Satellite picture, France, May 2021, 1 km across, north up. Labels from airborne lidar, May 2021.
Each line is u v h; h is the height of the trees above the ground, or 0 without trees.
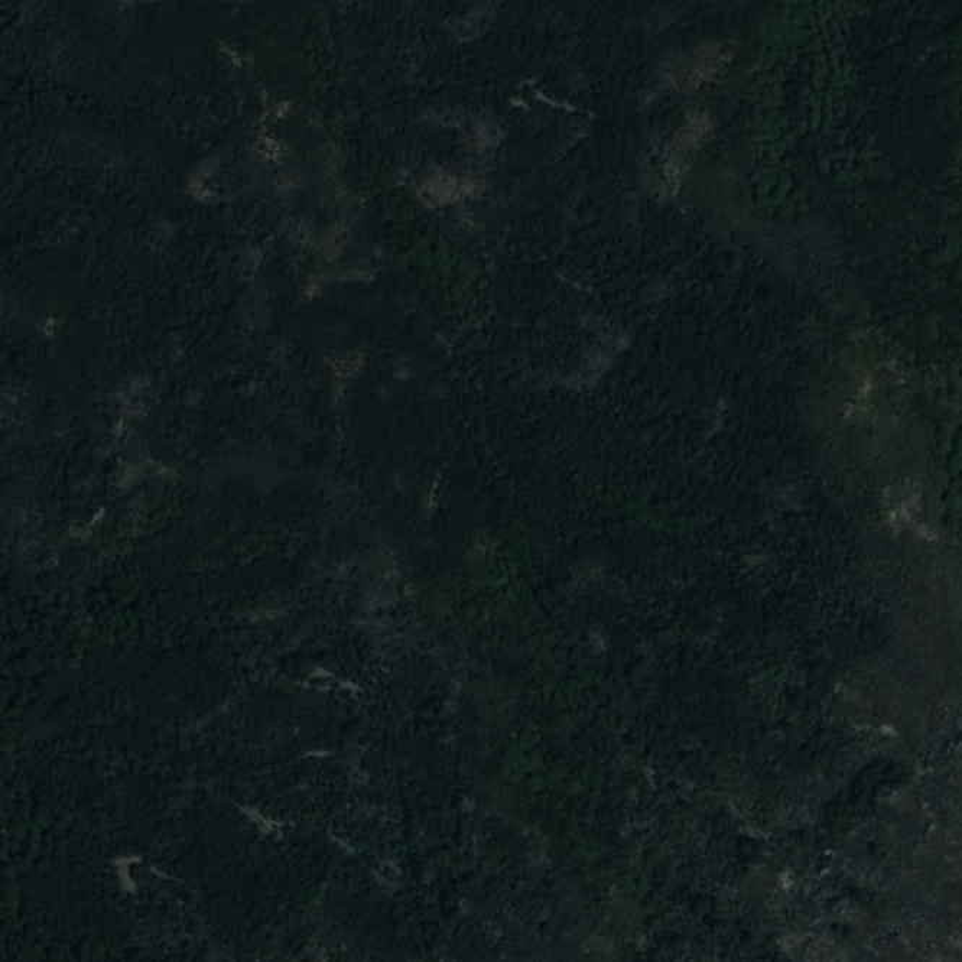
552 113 10
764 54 13
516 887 14
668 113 12
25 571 8
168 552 7
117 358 9
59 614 17
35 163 10
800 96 16
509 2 7
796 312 8
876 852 12
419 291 7
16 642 22
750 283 12
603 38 7
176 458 7
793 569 9
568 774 11
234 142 6
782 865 9
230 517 8
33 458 15
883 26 11
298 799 8
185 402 16
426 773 6
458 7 7
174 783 13
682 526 13
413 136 9
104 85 7
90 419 6
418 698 7
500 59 9
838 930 12
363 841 11
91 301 11
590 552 12
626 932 9
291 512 9
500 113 8
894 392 9
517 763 16
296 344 7
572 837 10
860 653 6
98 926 14
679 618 16
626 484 15
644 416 9
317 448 8
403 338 9
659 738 10
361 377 10
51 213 9
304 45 11
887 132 13
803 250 7
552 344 6
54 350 10
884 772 8
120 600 20
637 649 11
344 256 7
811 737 6
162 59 6
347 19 11
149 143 6
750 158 8
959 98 16
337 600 9
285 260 7
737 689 10
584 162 8
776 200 19
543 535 8
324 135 7
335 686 9
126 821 6
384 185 12
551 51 6
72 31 8
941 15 7
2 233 14
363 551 7
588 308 8
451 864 9
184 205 9
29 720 7
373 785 9
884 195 9
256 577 9
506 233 8
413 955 6
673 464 16
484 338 12
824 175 9
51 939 12
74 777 10
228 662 18
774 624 8
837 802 11
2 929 24
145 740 11
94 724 8
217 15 8
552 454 9
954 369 19
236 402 7
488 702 6
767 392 8
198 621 17
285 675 11
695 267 8
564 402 12
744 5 13
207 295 8
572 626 8
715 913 10
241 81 9
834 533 9
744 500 14
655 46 8
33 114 14
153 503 14
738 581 9
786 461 7
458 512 7
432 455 6
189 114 11
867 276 11
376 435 9
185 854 7
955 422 6
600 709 16
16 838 20
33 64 8
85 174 12
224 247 10
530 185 7
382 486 9
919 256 11
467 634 5
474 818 6
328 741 9
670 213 8
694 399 9
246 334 6
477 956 6
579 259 8
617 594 9
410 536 7
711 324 11
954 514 14
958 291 8
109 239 6
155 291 14
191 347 10
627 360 9
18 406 6
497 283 9
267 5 11
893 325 9
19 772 7
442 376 10
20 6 20
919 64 7
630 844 8
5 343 10
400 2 8
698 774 5
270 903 9
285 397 8
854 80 15
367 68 11
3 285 6
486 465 13
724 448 11
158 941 6
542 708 11
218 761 9
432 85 11
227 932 10
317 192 8
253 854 7
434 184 0
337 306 6
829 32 13
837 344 6
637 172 7
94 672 11
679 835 6
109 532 9
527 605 9
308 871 7
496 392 7
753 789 9
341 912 8
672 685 12
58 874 12
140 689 10
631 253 11
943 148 11
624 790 16
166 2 7
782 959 13
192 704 8
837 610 10
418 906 7
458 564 9
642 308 6
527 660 8
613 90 18
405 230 24
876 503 7
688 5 12
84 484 7
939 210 11
